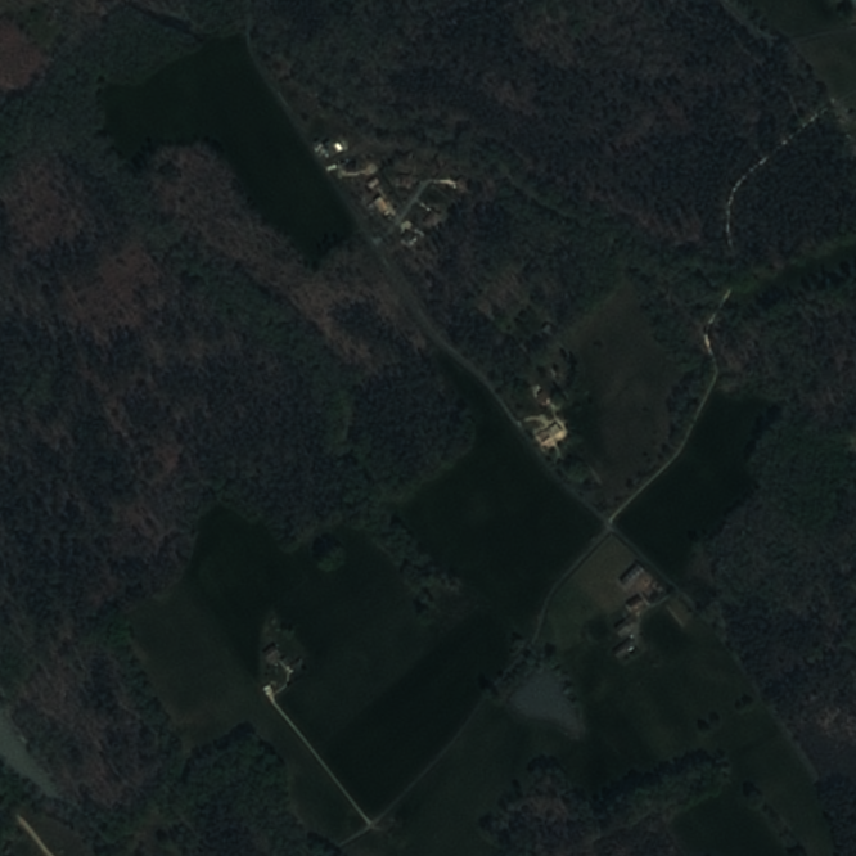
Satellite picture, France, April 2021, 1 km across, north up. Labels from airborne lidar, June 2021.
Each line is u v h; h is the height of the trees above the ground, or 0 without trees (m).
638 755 0
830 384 19
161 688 0
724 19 19
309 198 0
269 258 10
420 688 0
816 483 20
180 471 8
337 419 26
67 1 11
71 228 8
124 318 12
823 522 18
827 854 0
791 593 18
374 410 25
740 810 0
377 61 19
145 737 19
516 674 7
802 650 20
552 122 18
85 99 25
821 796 17
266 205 0
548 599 0
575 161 15
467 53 6
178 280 10
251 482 15
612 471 0
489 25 18
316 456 25
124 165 13
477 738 0
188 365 14
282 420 26
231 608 0
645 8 9
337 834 0
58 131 29
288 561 0
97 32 15
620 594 0
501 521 0
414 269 14
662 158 20
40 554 26
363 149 0
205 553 0
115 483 9
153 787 19
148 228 21
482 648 0
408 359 27
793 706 14
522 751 0
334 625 0
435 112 18
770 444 21
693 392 20
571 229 18
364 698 0
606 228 19
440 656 0
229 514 0
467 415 19
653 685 0
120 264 12
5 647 19
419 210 11
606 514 14
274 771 27
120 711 21
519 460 0
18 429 13
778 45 13
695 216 23
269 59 14
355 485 26
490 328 20
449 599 0
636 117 14
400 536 17
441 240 20
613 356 0
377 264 0
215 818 21
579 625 0
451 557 0
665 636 0
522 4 22
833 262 0
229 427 24
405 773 0
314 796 0
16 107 20
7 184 16
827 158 23
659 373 0
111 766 15
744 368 11
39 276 18
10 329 16
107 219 22
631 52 9
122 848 18
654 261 28
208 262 20
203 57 0
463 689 0
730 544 14
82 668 19
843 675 24
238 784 24
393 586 0
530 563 0
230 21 23
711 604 16
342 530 0
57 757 17
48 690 16
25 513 22
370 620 0
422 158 8
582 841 28
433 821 0
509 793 0
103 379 25
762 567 17
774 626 23
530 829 26
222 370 22
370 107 22
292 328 19
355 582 0
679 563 0
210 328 18
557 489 0
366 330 20
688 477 0
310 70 19
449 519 0
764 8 0
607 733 0
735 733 0
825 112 10
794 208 21
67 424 15
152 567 6
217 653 0
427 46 19
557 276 19
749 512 12
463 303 19
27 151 18
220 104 0
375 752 0
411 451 26
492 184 16
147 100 0
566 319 23
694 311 21
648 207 19
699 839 0
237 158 0
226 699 0
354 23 14
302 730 0
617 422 0
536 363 18
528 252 17
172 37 21
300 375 24
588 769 0
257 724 0
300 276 11
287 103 0
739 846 0
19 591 21
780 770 0
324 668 0
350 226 0
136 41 23
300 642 0
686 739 0
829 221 23
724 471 0
